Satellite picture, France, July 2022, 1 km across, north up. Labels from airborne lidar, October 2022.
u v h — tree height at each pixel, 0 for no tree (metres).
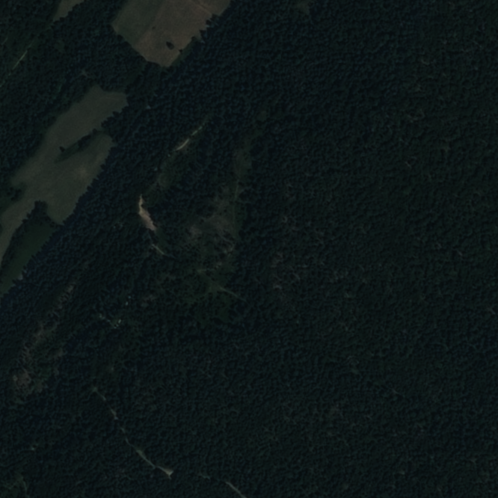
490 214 20
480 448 21
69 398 30
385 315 22
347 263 15
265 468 18
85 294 19
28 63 7
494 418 18
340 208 11
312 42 24
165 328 29
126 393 25
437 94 22
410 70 15
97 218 33
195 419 19
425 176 15
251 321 28
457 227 22
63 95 10
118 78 31
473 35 22
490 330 25
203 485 10
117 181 32
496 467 16
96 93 0
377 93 27
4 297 0
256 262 24
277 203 23
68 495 11
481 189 23
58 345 12
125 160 27
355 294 21
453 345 21
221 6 0
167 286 11
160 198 7
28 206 0
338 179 19
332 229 27
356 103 24
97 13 33
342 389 16
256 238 8
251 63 22
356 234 8
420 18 14
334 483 19
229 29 8
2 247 0
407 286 21
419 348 15
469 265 18
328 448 19
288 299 10
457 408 19
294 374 23
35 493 20
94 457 15
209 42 31
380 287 10
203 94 31
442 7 16
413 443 19
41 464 8
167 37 0
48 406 24
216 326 6
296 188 17
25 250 0
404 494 19
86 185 0
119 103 0
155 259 8
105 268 15
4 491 25
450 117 22
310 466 15
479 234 23
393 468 15
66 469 22
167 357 20
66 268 30
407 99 19
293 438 21
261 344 23
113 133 13
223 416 15
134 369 31
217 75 32
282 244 15
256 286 28
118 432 28
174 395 23
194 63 19
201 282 13
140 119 22
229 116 22
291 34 19
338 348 18
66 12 0
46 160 0
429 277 12
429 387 14
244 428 18
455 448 12
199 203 22
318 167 26
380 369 21
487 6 18
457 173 24
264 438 16
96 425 11
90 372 30
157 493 26
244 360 23
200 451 23
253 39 22
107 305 14
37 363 11
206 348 25
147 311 23
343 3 26
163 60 0
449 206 25
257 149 7
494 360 19
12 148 21
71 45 22
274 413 16
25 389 7
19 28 15
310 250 18
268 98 25
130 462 25
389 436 13
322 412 16
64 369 26
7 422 31
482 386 14
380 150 8
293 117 7
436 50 13
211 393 24
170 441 22
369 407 10
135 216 20
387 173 22
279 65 20
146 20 0
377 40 25
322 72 29
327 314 16
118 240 31
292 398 11
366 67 34
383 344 15
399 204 15
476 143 22
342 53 22
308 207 16
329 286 16
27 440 6
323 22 30
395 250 16
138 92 18
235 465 17
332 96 20
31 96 18
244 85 12
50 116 11
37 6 8
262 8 24
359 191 10
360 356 15
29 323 21
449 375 17
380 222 11
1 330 31
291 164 8
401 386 24
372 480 18
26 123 19
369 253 13
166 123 26
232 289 23
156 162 23
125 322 8
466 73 20
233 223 0
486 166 23
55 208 0
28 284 14
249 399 14
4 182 16
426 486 9
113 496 7
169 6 0
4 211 0
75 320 14
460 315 28
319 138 23
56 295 25
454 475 10
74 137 0
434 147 24
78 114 0
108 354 14
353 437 15
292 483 24
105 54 19
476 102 13
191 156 11
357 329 11
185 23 0
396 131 22
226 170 13
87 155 0
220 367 24
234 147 21
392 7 26
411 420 14
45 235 0
